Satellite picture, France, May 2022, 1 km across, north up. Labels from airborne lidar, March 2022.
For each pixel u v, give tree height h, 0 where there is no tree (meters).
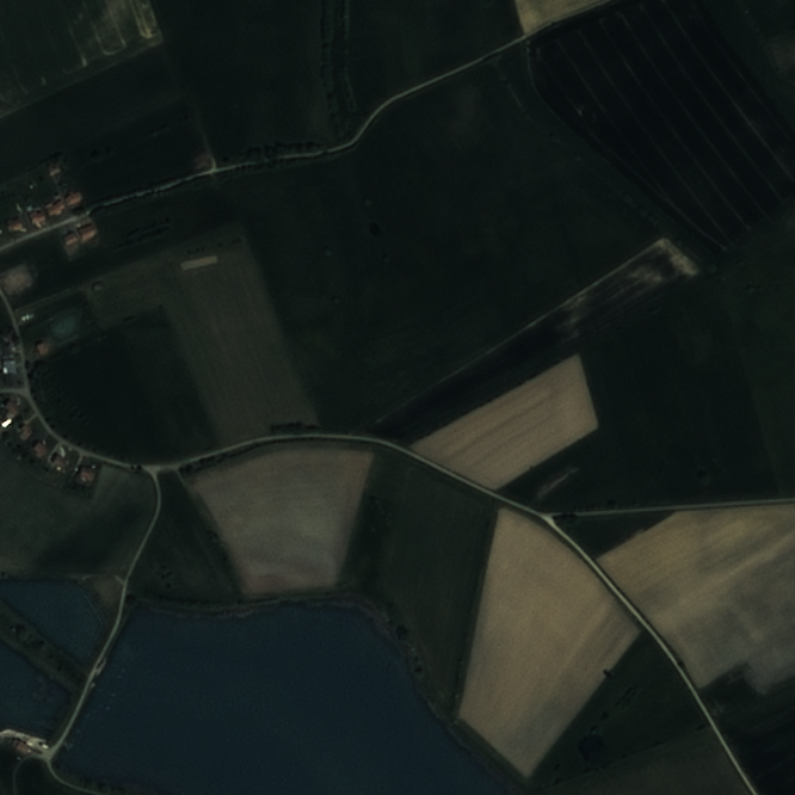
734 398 0
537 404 0
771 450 0
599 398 0
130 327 0
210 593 0
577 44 0
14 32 0
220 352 0
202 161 0
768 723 0
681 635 0
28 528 0
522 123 0
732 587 0
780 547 0
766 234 0
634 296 0
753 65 0
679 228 0
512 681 0
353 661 0
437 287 0
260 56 0
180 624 0
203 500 0
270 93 0
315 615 0
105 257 0
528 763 0
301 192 0
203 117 0
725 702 0
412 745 0
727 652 0
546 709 0
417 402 0
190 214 0
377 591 0
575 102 0
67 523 0
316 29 0
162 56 0
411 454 0
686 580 0
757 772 0
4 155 0
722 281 0
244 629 0
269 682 0
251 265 0
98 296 0
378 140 0
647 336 0
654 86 0
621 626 0
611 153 0
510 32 0
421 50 0
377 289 0
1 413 0
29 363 6
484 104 0
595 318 0
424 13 0
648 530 0
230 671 0
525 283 0
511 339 0
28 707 0
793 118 0
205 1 0
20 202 0
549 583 0
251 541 0
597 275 0
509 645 0
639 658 0
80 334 0
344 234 0
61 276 0
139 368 0
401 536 0
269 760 0
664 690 0
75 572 0
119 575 0
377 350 0
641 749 0
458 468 0
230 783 0
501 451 0
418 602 0
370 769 0
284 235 0
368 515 0
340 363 0
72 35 0
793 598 0
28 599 0
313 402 0
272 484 0
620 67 0
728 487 0
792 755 0
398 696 0
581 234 0
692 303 0
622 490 0
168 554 0
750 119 0
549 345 0
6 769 0
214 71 0
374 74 0
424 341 0
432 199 0
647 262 0
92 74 0
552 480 0
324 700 0
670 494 0
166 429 0
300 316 0
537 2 0
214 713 0
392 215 0
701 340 0
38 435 0
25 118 0
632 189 0
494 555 0
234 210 0
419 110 0
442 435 0
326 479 0
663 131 0
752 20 0
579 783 0
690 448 0
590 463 0
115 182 0
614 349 0
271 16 0
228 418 0
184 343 0
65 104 0
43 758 0
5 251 0
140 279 0
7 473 0
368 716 0
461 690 0
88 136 0
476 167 0
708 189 0
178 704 0
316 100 0
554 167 0
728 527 0
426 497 0
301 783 0
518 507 0
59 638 0
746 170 0
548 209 0
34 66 0
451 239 0
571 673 0
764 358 0
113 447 0
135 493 0
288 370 0
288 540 0
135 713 0
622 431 0
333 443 0
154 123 0
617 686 0
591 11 0
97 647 0
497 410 0
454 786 0
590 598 0
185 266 0
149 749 0
